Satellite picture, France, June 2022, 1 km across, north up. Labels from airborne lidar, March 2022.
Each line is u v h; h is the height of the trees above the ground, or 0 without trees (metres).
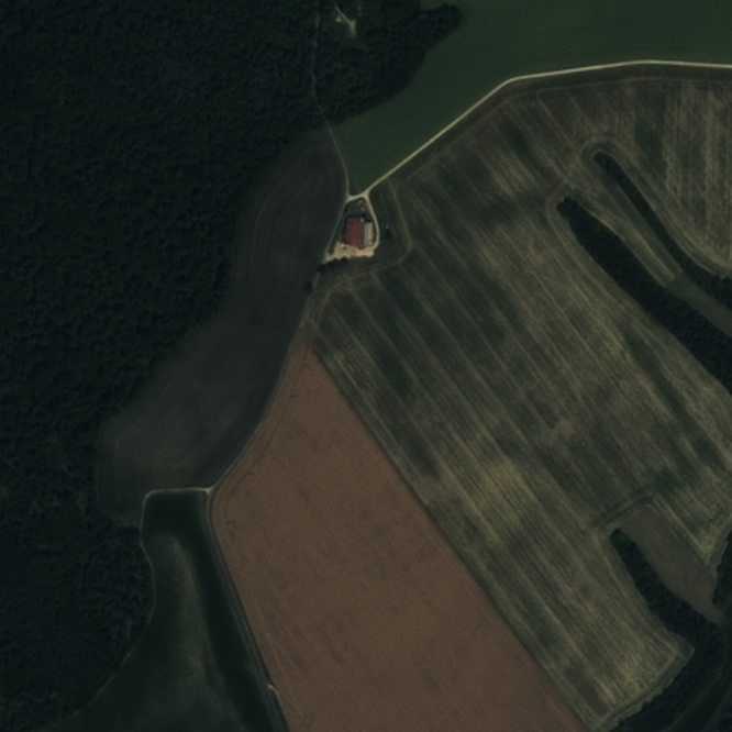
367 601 0
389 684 0
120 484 0
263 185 0
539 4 0
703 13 0
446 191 0
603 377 0
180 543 0
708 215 0
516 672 0
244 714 0
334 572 0
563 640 0
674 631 10
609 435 0
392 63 16
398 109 0
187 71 24
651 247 0
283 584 0
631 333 0
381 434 0
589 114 0
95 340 22
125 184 23
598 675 0
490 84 0
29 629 15
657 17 0
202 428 0
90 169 22
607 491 0
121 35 18
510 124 0
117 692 0
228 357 0
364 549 0
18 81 20
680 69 0
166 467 0
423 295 0
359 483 0
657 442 0
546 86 0
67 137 12
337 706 0
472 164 0
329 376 0
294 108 14
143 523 0
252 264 0
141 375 19
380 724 0
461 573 0
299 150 0
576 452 0
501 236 0
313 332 0
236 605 0
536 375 0
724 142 0
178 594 0
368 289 0
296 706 0
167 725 0
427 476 0
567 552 0
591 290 0
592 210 0
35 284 18
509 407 0
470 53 0
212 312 12
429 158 0
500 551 0
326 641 0
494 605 0
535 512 0
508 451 0
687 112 0
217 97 14
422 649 0
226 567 0
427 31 18
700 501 0
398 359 0
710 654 17
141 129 16
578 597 0
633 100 0
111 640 18
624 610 0
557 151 0
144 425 0
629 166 0
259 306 0
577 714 0
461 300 0
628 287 6
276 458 0
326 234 0
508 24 0
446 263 0
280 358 0
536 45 0
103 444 0
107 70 17
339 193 0
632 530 0
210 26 11
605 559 0
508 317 0
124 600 20
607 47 0
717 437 0
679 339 9
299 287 0
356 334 0
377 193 0
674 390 0
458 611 0
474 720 0
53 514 10
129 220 17
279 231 0
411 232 0
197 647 0
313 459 0
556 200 0
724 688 0
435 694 0
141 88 17
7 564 12
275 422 0
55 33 21
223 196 15
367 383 0
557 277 0
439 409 0
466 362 0
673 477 0
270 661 0
